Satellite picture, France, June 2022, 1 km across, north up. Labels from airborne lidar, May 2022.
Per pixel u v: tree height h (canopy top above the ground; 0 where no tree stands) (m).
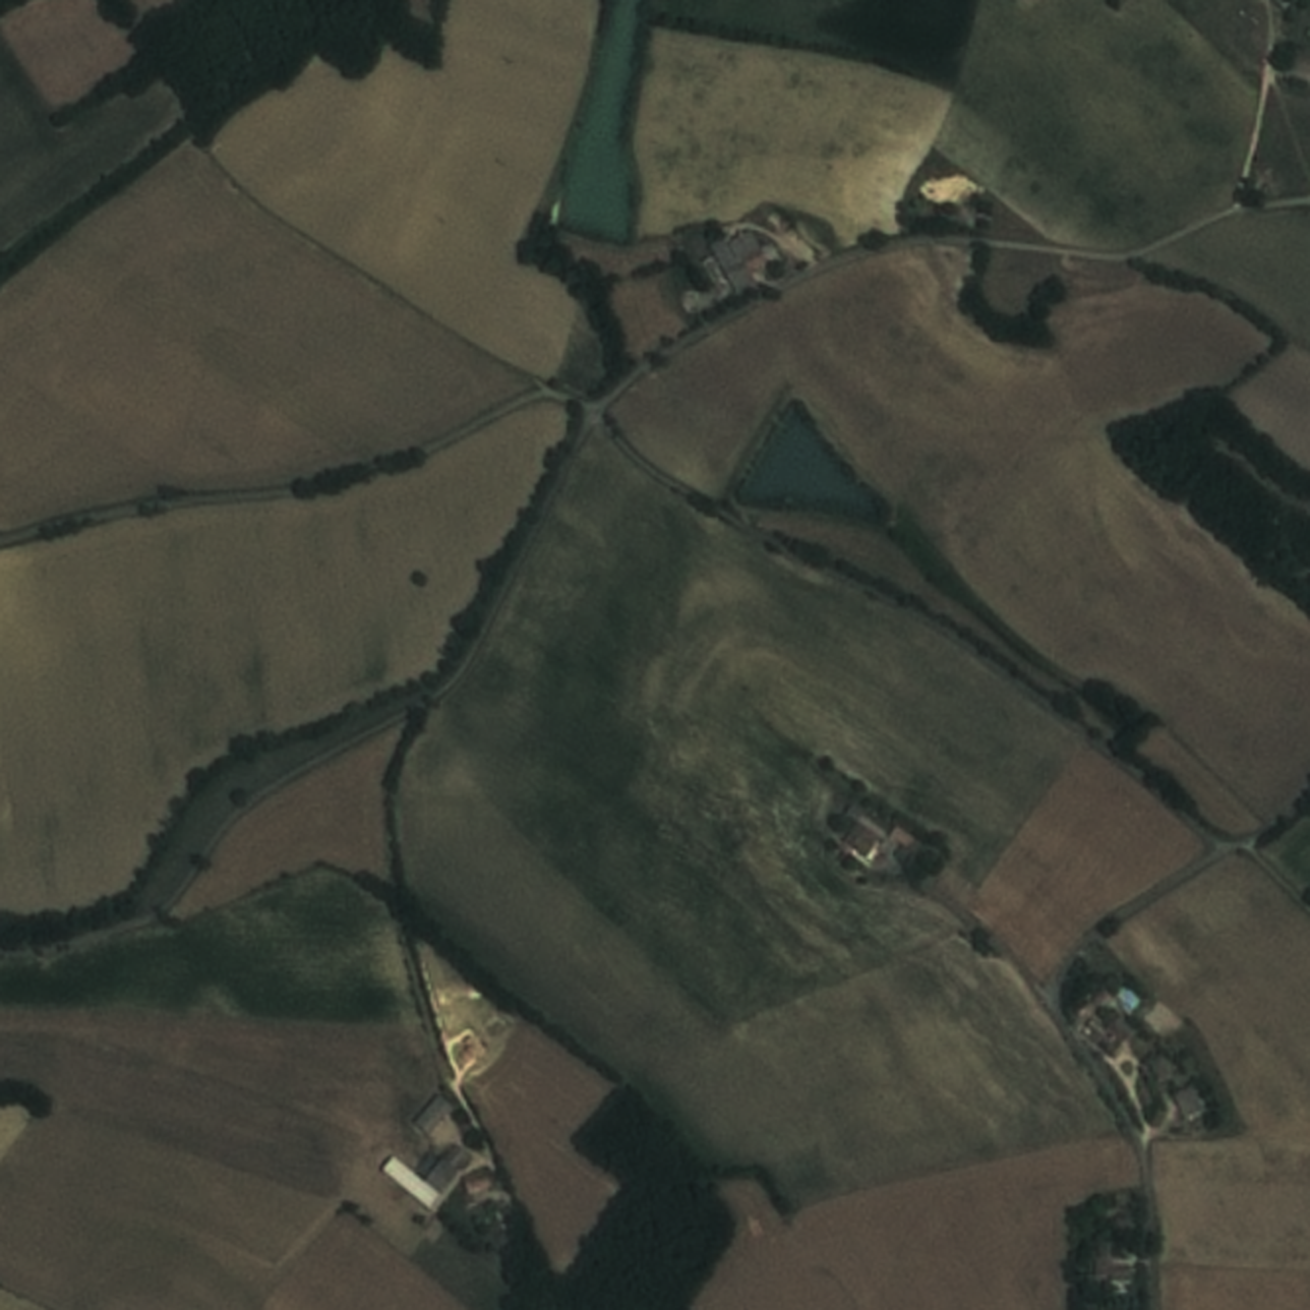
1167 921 0
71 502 0
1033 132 0
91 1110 0
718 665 0
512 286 0
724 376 0
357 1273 0
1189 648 0
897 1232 0
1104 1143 0
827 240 0
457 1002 0
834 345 0
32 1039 0
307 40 16
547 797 0
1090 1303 13
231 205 0
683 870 0
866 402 0
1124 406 0
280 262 0
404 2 15
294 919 0
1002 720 0
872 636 0
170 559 0
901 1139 0
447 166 0
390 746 0
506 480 0
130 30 11
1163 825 0
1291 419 0
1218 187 0
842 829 14
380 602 0
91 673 0
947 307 0
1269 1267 0
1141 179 0
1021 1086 0
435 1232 0
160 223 0
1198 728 0
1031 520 0
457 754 0
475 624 14
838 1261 0
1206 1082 6
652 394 0
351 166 0
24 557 0
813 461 0
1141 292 0
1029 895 0
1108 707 7
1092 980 9
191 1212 0
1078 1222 5
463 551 0
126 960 0
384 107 0
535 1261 16
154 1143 0
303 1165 0
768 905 0
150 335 0
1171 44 0
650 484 0
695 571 0
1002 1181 0
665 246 0
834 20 0
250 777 0
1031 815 0
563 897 0
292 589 0
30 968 0
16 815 0
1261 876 0
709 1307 0
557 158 0
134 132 0
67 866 0
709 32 11
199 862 17
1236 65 0
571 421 9
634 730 0
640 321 0
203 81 6
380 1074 0
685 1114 0
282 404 0
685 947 0
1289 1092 0
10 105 0
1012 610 0
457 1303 0
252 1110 0
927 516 0
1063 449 0
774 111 0
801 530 0
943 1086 0
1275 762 0
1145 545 0
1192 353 0
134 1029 0
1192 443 19
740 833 0
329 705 0
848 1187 0
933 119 0
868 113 0
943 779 0
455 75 0
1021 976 0
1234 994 0
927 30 0
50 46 0
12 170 0
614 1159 18
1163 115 0
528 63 0
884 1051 0
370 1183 0
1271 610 0
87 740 0
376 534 0
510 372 0
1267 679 0
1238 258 0
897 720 0
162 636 0
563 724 0
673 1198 17
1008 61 0
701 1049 0
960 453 0
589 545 0
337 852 0
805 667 0
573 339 0
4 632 0
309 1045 0
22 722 0
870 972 0
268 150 0
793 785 0
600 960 0
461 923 0
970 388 0
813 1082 0
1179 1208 0
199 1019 0
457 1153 0
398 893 12
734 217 0
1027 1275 0
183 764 0
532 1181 0
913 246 0
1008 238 0
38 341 0
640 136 0
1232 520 18
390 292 0
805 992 0
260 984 0
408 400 0
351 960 0
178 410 0
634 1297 19
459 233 0
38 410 0
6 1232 0
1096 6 0
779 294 12
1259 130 0
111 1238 0
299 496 15
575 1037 9
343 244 0
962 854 0
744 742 0
